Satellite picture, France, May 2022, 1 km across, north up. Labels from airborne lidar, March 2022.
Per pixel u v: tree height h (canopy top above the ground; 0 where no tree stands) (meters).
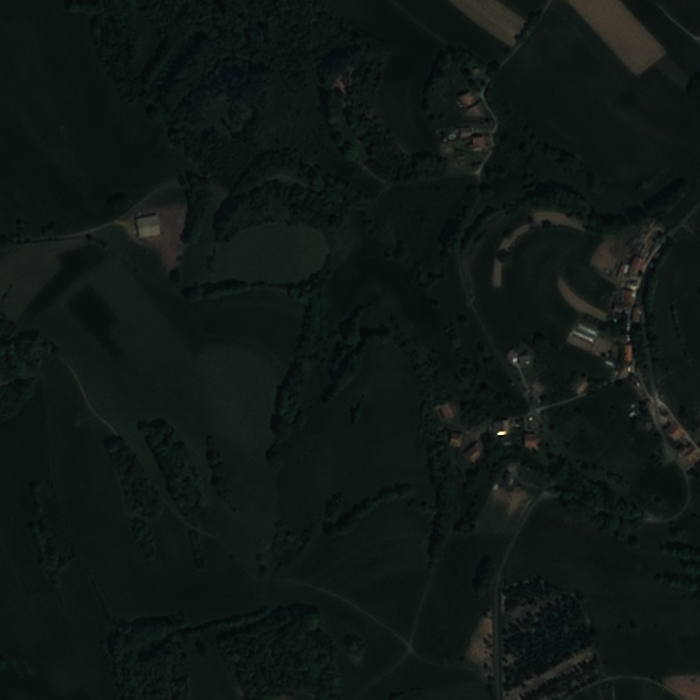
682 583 15
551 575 0
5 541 0
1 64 0
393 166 7
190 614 0
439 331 0
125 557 0
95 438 0
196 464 0
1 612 0
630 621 0
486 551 0
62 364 0
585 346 0
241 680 14
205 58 33
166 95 29
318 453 0
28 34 0
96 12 13
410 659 0
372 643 0
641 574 0
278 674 13
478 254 0
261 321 0
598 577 0
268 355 0
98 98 0
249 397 0
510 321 0
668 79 0
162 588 0
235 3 32
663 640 0
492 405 0
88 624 0
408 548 0
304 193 13
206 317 0
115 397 0
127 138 0
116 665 7
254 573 0
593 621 0
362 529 0
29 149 0
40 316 0
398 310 0
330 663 23
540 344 19
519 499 0
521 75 0
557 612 10
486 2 0
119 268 0
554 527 0
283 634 27
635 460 0
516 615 0
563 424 0
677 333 0
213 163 8
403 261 15
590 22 0
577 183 0
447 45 0
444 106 0
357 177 0
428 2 0
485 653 0
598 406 0
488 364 9
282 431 27
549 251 0
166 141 0
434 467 17
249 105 23
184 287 0
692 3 0
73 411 0
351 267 0
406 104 0
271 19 20
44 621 0
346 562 0
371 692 0
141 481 26
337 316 0
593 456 0
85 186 0
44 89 0
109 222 0
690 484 0
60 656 0
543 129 0
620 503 21
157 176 0
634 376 15
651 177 0
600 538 0
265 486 0
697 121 0
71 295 0
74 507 0
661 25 0
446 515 22
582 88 0
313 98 0
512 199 0
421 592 0
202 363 0
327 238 0
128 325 0
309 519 0
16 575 0
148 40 0
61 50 0
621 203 0
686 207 0
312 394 0
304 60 14
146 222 0
